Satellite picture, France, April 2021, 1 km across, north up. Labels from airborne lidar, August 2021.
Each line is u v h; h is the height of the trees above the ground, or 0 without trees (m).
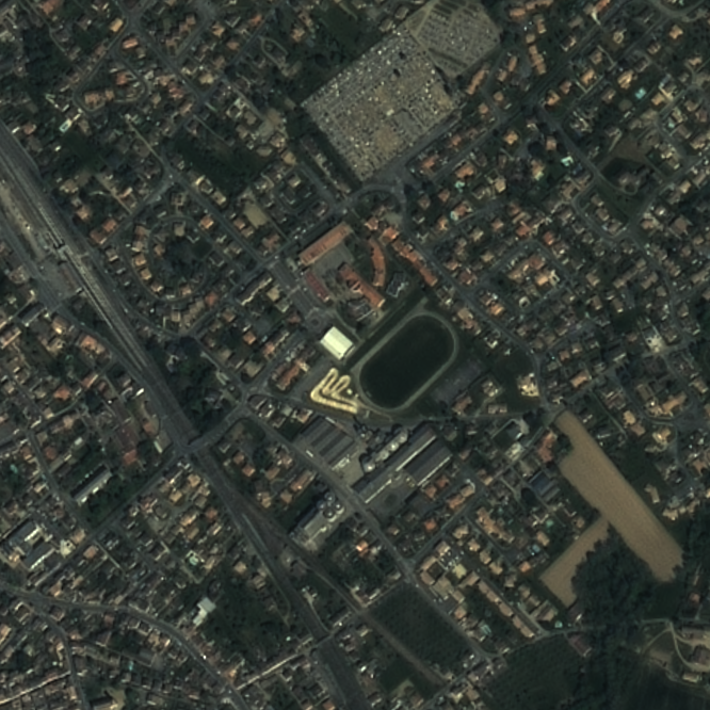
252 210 0
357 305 0
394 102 0
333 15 0
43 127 7
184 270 18
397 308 0
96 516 19
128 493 14
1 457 0
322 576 0
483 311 0
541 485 0
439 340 0
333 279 12
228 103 8
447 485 6
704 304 11
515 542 0
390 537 7
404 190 0
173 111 0
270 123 0
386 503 0
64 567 0
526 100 0
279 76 13
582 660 10
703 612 0
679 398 0
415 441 0
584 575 21
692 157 0
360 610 0
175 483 7
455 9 0
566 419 0
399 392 0
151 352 17
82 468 11
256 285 0
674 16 0
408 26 0
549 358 7
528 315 6
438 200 12
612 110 11
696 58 0
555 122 0
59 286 0
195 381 10
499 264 0
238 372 0
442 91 0
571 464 0
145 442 7
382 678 0
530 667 9
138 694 6
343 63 17
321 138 7
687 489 0
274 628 10
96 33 10
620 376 14
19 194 0
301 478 0
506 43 20
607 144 9
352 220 0
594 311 14
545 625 12
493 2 12
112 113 9
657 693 0
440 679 0
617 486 0
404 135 0
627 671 11
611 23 5
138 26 0
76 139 0
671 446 0
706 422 0
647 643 25
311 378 0
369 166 0
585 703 13
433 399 0
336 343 0
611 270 12
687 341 0
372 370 0
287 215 8
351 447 0
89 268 0
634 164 0
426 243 0
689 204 9
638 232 0
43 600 0
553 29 0
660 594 0
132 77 0
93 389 7
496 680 12
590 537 0
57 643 0
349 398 0
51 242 0
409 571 0
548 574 0
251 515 0
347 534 8
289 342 0
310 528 0
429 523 0
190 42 0
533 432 8
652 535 0
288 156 0
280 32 9
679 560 0
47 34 7
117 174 9
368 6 0
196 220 6
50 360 0
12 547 0
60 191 0
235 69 10
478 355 0
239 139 8
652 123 0
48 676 0
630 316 0
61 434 8
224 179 6
